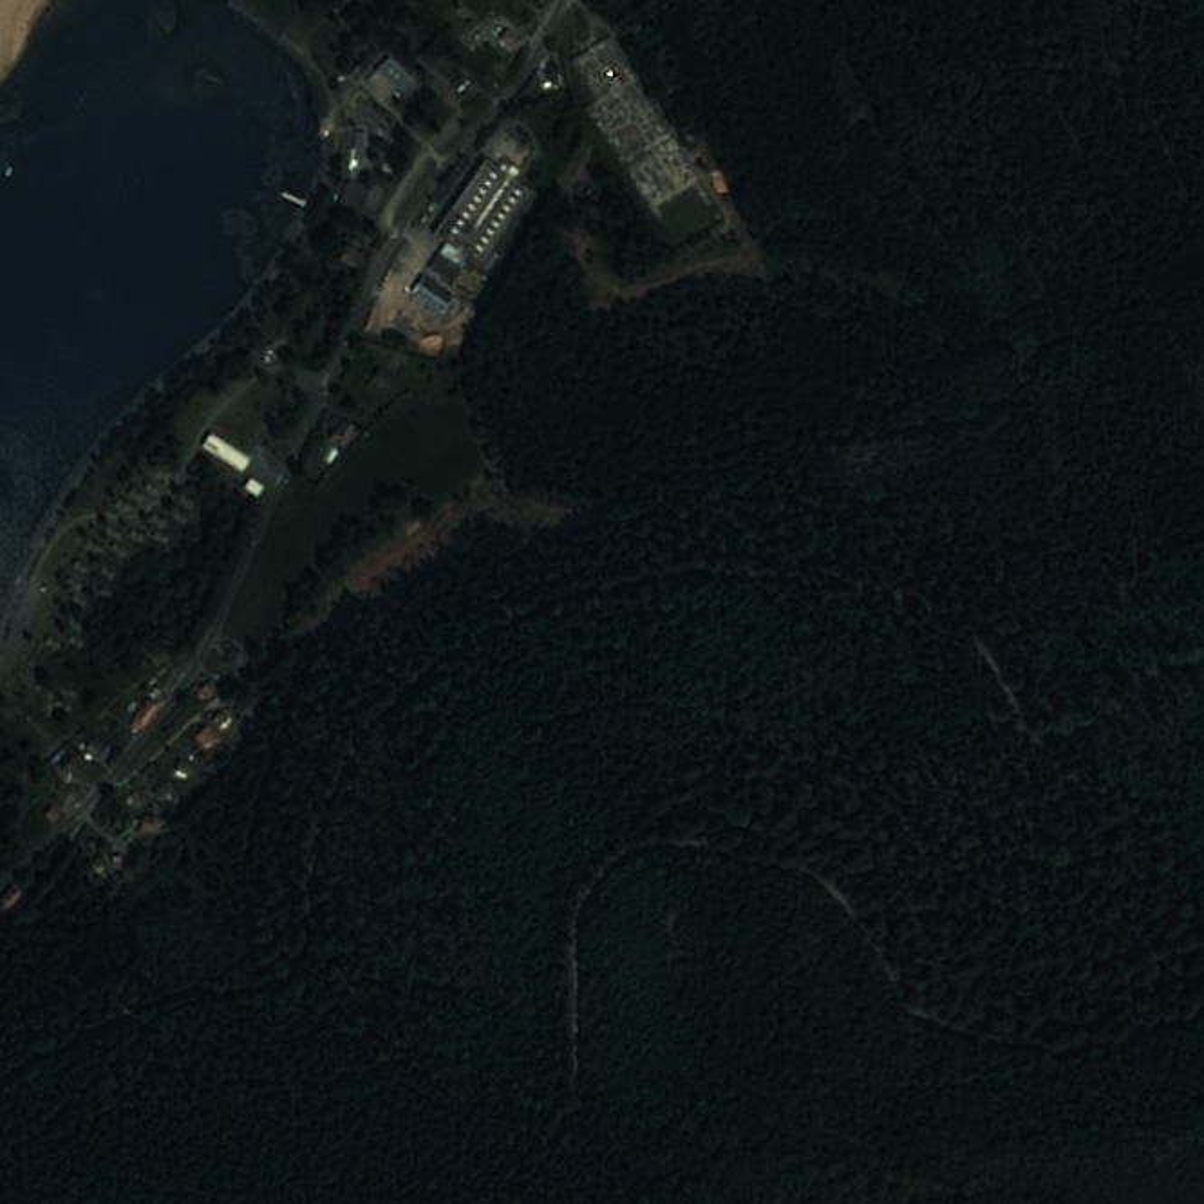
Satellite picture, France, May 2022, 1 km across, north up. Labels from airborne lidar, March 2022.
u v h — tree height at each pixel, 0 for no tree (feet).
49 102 0
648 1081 49
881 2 74
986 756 113
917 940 80
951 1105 63
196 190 0
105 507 0
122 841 0
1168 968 46
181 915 106
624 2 0
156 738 0
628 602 25
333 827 101
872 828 73
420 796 45
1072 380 33
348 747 40
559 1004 26
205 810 20
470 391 41
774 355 48
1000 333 57
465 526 68
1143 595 20
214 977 84
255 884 33
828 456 91
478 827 32
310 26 0
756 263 67
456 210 0
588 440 29
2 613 0
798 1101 39
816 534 65
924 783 108
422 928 98
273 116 0
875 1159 38
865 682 43
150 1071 90
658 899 36
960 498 93
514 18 0
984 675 63
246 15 0
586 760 43
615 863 22
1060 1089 62
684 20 54
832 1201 66
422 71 37
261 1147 62
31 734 0
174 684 0
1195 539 81
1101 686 29
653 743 32
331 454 0
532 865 21
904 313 64
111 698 0
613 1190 81
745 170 48
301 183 0
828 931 49
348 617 78
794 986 42
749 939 44
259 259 0
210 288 0
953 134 61
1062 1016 49
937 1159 41
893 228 70
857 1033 56
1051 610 62
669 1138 64
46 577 0
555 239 52
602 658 57
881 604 27
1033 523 50
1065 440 50
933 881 77
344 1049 105
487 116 0
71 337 0
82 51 0
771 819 84
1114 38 76
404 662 105
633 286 74
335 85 33
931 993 84
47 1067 64
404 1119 73
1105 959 29
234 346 38
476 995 42
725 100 34
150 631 55
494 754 30
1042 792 98
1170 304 61
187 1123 66
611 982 24
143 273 0
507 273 54
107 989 89
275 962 92
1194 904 40
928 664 51
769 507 83
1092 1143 48
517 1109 83
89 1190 68
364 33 59
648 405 57
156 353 0
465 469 0
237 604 0
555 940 46
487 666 58
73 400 0
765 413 62
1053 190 30
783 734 28
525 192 0
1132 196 53
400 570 79
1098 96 57
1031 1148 34
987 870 152
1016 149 31
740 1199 28
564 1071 61
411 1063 55
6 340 0
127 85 0
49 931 54
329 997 82
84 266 0
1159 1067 63
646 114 0
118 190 0
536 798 29
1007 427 91
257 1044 105
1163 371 77
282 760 109
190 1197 65
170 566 21
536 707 47
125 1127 72
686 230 0
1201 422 73
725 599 24
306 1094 70
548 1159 64
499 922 21
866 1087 45
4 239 0
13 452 0
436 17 0
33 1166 70
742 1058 48
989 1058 61
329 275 30
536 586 80
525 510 58
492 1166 62
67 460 0
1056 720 85
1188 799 35
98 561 34
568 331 60
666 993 29
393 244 0
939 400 104
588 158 61
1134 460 28
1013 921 35
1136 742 111
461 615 48
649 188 0
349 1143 49
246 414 0
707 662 20
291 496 0
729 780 28
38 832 0
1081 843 19
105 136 0
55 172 0
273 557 0
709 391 57
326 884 63
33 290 0
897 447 87
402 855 62
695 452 68
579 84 0
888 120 54
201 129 0
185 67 0
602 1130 54
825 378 60
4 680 0
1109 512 53
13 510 0
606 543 84
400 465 0
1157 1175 38
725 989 34
